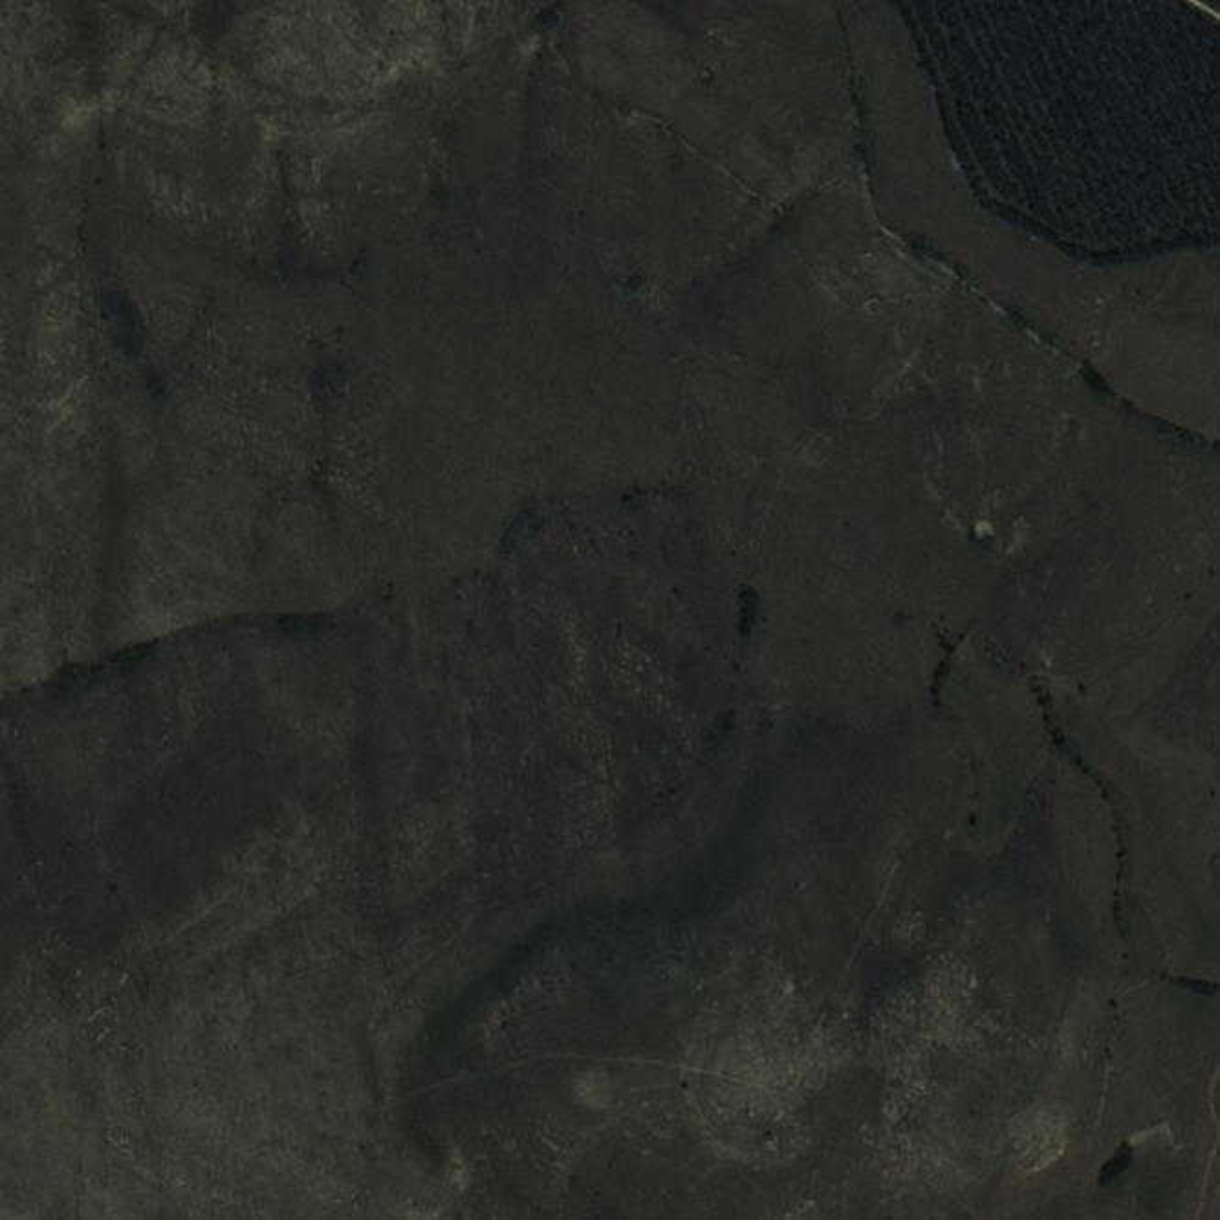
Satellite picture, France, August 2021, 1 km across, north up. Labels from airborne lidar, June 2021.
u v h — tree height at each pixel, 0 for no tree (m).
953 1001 0
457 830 0
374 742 0
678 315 0
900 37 0
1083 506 0
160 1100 0
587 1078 0
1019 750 0
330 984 0
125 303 0
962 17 13
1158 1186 0
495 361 0
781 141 0
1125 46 11
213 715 0
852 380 0
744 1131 0
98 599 0
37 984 0
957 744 0
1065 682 0
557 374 0
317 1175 0
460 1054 0
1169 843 0
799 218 0
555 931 0
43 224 0
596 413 0
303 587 0
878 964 0
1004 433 0
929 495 0
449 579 0
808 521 0
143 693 0
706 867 0
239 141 0
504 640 0
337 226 0
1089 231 14
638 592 0
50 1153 0
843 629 0
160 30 0
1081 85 13
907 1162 0
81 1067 0
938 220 0
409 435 0
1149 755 0
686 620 0
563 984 0
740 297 0
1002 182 14
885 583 0
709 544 0
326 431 0
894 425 0
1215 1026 0
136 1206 0
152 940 0
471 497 0
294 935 0
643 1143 0
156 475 0
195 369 0
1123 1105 0
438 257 0
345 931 0
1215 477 0
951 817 0
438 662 0
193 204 0
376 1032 0
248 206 0
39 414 0
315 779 0
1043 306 0
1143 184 15
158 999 0
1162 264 0
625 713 0
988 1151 0
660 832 0
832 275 0
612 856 0
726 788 0
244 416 0
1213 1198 0
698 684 0
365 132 0
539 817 0
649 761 0
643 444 0
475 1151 0
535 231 0
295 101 0
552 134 0
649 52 0
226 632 0
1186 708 0
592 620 0
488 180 0
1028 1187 0
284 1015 0
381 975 0
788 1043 0
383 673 0
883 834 0
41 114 0
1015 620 0
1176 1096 0
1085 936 0
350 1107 0
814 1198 0
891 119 0
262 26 0
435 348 0
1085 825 0
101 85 0
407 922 0
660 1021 0
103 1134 0
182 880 0
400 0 0
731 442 0
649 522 0
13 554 0
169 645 0
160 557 0
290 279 0
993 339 0
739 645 0
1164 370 0
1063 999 0
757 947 0
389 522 0
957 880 0
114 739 0
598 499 0
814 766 0
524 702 0
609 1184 0
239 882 0
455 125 0
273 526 0
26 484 0
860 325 0
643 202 0
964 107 14
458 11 0
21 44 0
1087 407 0
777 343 0
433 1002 0
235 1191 0
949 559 0
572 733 0
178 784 0
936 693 7
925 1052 0
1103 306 0
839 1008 0
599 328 0
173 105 0
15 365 0
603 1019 0
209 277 0
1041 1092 0
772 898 0
